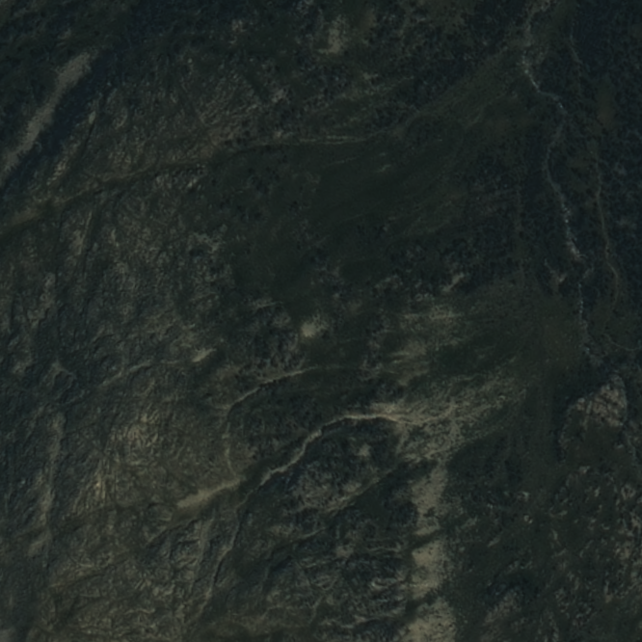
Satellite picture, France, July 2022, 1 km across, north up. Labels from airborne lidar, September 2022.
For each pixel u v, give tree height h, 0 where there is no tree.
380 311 0
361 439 0
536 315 0
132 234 0
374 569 19
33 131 0
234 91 0
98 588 0
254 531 0
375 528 10
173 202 0
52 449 0
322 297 0
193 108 0
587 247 7
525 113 0
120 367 0
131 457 0
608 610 0
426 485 0
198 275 0
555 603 0
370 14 0
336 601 0
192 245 0
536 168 7
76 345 0
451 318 0
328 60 0
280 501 0
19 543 0
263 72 0
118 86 9
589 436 0
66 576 0
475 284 7
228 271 0
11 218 0
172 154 0
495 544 0
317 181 0
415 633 0
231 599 0
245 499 0
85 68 0
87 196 0
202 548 0
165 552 0
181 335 0
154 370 0
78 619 0
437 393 0
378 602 8
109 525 0
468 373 0
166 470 0
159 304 0
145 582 0
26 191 0
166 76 0
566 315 0
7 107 0
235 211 0
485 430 0
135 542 0
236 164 0
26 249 0
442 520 0
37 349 0
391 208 0
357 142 0
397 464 0
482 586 0
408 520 9
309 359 0
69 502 0
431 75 14
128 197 0
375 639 9
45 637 0
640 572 0
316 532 0
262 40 0
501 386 0
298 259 0
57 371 0
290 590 0
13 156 0
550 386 0
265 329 0
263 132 7
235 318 0
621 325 0
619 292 0
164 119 0
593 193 10
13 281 0
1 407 0
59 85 0
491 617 0
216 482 0
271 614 0
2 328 0
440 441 0
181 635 0
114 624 0
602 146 11
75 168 0
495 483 0
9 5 0
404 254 9
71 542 0
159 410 0
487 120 0
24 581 0
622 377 12
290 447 8
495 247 9
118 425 0
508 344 0
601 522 0
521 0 6
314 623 0
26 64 0
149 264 0
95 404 0
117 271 0
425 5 0
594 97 9
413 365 0
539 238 11
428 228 0
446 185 0
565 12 0
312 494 0
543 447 0
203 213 0
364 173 0
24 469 0
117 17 0
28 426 0
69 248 0
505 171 7
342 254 0
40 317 0
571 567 0
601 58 7
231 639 0
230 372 0
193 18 0
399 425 0
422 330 0
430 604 0
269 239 0
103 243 0
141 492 0
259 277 0
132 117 0
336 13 0
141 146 0
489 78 0
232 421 0
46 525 0
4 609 0
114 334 0
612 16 9
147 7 10
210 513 0
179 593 0
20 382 0
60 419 0
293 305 0
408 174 0
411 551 0
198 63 0
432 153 0
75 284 0
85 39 0
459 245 9
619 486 0
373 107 0
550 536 0
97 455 0
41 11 0
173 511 0
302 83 0
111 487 0
